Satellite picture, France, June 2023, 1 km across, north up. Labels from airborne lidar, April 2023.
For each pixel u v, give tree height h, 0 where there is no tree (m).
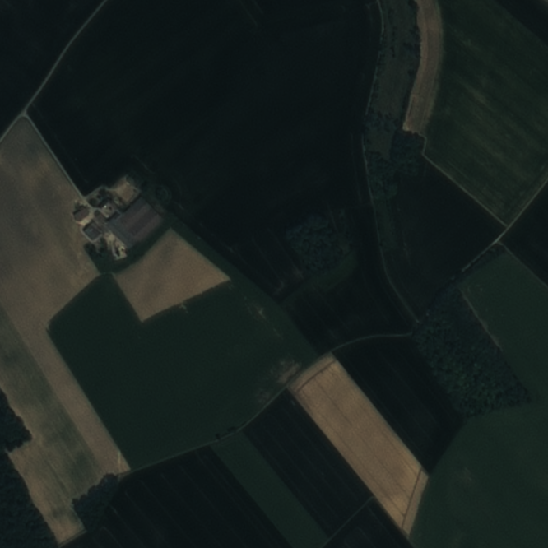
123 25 0
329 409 0
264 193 0
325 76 0
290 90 0
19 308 0
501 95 0
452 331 18
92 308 0
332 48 0
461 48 0
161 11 0
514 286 0
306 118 0
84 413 0
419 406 0
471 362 17
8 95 0
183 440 0
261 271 0
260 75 0
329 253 22
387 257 0
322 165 0
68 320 0
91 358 0
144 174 0
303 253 15
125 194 0
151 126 0
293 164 0
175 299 0
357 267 0
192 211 0
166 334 0
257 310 0
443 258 0
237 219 0
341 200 0
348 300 0
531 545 0
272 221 0
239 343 0
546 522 0
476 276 0
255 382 0
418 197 0
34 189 0
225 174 0
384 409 0
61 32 0
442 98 0
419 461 0
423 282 0
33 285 0
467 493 0
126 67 0
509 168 0
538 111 0
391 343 0
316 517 0
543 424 0
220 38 0
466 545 0
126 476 0
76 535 0
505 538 0
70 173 0
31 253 0
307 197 0
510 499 0
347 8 0
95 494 20
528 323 0
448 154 0
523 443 0
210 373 0
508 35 0
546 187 0
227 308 0
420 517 0
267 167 0
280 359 0
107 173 0
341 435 0
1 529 23
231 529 0
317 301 0
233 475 0
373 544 0
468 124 0
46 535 13
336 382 0
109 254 0
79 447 0
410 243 0
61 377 0
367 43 0
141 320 0
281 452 0
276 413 0
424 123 0
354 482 0
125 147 0
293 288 0
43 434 0
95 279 0
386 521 0
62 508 0
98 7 0
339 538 0
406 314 0
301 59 0
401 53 0
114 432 0
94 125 0
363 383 0
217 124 0
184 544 0
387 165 10
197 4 0
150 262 0
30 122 0
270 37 0
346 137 0
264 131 0
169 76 0
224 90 0
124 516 0
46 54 0
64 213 0
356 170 0
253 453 0
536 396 0
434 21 0
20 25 0
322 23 0
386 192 17
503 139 0
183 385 0
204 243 0
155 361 0
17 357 0
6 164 0
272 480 0
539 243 0
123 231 0
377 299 0
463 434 0
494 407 15
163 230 0
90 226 0
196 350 0
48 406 0
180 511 0
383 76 0
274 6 0
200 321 0
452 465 0
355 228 0
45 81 0
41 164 0
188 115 0
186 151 0
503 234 0
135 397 0
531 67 0
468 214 0
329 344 0
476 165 0
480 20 0
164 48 0
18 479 20
